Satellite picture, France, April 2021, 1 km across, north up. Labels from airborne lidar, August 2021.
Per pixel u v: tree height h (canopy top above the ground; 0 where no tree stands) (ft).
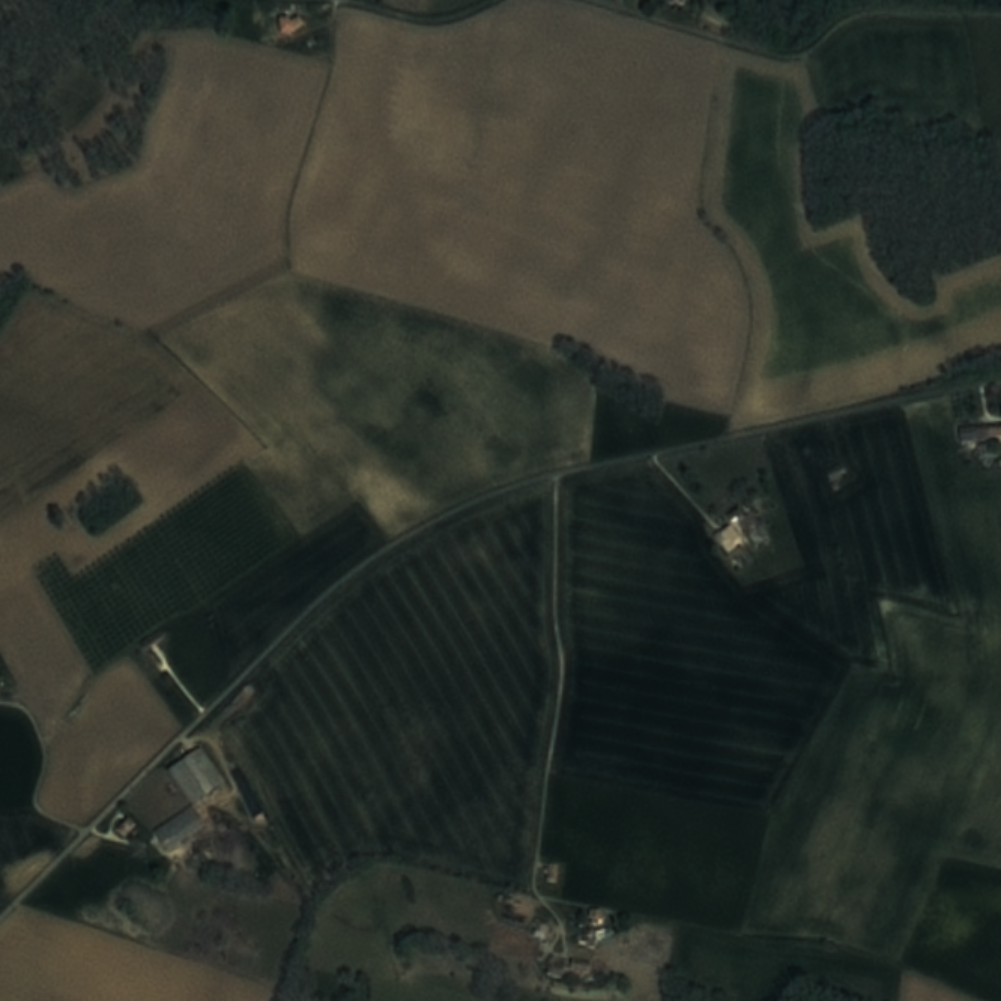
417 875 0
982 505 0
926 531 0
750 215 0
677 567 0
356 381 0
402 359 0
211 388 0
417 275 0
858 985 0
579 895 0
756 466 0
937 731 0
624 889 0
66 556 0
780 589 0
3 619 0
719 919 0
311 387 0
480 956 55
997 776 0
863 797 0
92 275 0
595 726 0
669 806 0
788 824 0
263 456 0
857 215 56
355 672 0
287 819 0
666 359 0
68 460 0
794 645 0
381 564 0
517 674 0
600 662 0
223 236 0
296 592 0
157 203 0
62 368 0
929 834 0
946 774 0
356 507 0
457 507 0
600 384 61
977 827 0
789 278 0
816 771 0
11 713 0
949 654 0
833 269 0
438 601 0
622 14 0
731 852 0
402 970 0
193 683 0
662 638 0
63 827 0
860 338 0
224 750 0
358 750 0
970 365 54
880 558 0
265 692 0
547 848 0
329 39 0
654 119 0
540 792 0
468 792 0
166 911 0
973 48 0
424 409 0
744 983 0
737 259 0
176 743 0
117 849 0
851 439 0
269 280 0
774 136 0
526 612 0
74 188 50
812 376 0
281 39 0
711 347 0
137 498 54
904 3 53
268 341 0
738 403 0
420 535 0
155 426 0
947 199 56
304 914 42
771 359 0
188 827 0
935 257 57
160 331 0
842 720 0
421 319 0
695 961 0
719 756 0
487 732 0
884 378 0
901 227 54
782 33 66
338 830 0
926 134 41
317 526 0
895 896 0
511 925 0
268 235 0
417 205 0
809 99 0
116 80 54
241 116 0
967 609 0
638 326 0
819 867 0
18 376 0
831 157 63
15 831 0
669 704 0
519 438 0
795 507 0
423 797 0
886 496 0
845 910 0
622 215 0
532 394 0
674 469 0
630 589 0
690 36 0
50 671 0
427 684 0
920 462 0
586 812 0
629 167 0
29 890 0
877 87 0
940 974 0
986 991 0
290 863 0
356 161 0
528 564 0
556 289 0
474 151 0
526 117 0
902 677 0
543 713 0
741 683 0
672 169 0
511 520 0
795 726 0
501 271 0
